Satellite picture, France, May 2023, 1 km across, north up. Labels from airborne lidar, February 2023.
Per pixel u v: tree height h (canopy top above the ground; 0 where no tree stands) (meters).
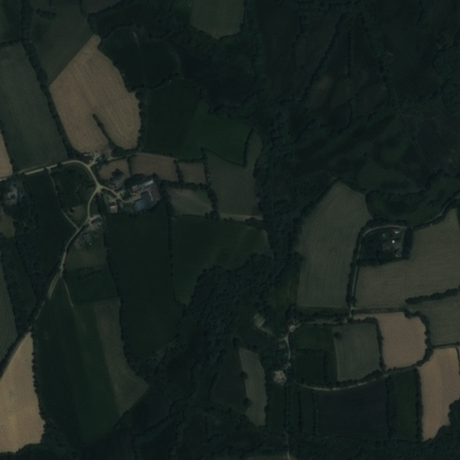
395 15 0
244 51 0
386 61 7
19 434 0
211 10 0
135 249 0
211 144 0
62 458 0
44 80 12
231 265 0
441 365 0
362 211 0
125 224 0
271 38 0
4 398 0
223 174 0
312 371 0
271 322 12
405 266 0
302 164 0
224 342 8
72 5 0
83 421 0
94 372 0
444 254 0
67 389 0
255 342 0
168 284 0
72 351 0
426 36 0
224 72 0
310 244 0
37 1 0
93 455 0
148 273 0
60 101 0
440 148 0
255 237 0
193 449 0
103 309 0
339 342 0
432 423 0
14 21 0
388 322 0
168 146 0
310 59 0
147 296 0
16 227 11
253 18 14
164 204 11
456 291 8
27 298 0
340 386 16
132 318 0
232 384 0
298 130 0
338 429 0
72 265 0
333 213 0
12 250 0
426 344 11
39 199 0
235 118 11
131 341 0
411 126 0
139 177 10
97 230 0
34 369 15
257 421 0
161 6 0
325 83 0
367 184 0
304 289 0
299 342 0
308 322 11
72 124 0
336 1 0
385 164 0
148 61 0
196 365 10
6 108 0
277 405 0
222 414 10
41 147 0
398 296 0
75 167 0
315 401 9
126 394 0
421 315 9
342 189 0
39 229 9
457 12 0
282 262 10
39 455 0
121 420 10
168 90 0
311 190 9
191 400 8
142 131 10
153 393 0
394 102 15
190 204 0
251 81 0
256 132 7
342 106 0
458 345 11
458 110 15
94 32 6
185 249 0
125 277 0
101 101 0
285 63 0
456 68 18
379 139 0
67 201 7
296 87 0
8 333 0
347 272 0
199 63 0
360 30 0
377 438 0
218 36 0
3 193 14
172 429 0
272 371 7
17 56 0
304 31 16
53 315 0
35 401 0
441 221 7
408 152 0
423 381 0
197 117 0
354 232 0
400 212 0
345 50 0
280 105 9
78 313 0
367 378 9
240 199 0
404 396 0
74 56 0
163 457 0
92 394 0
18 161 0
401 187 0
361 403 0
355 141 0
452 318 0
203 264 0
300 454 13
